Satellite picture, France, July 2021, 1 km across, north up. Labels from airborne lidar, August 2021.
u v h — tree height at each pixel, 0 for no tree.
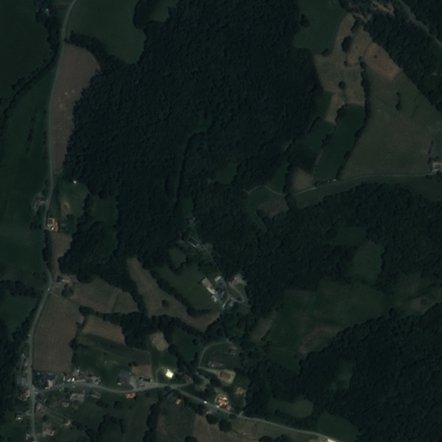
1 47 0
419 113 0
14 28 0
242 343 17
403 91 0
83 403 0
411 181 0
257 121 21
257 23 28
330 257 23
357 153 0
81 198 0
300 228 24
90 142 20
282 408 0
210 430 0
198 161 15
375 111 0
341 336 11
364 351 25
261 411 21
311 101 14
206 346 7
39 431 0
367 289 0
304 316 0
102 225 22
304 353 0
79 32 0
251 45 26
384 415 31
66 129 0
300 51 16
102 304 0
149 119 21
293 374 9
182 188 19
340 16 0
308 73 17
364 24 9
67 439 0
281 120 15
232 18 25
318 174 0
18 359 15
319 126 12
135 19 15
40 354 0
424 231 19
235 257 16
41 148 0
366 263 0
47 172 0
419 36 24
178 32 22
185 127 26
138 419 0
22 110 0
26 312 0
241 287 0
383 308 0
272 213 0
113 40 0
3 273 0
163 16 0
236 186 21
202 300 0
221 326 9
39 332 0
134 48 0
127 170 30
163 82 29
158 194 18
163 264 22
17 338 21
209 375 20
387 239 16
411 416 27
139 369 0
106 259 13
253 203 0
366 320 0
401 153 0
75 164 14
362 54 0
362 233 0
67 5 0
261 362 8
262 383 7
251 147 24
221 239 18
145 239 21
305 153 12
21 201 0
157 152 23
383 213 24
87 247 24
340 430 0
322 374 18
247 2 28
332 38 0
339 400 16
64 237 0
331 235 29
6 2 0
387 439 20
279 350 0
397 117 0
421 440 27
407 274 19
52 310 0
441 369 20
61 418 0
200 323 0
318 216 20
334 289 0
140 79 20
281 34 21
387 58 0
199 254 7
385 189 23
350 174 0
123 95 21
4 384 28
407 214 10
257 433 0
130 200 26
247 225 19
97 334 0
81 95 0
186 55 25
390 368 27
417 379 27
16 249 0
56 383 0
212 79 22
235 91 22
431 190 0
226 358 0
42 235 0
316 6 0
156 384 0
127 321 23
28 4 0
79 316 0
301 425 17
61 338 0
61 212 0
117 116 25
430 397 23
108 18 0
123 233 20
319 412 9
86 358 0
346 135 0
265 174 20
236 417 10
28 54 0
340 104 0
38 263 0
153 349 0
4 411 15
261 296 26
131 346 18
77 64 0
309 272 22
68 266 26
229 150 19
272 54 23
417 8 26
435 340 11
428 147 0
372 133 0
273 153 22
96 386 0
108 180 22
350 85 0
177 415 0
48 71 19
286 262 24
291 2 25
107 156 19
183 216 17
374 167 0
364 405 17
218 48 25
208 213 13
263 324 0
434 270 26
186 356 0
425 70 17
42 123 0
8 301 0
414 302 0
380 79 0
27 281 0
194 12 30
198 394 7
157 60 28
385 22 27
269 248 25
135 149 21
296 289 12
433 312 18
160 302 0
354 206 31
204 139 26
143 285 0
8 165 0
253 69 21
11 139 0
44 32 0
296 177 0
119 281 22
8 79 0
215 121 13
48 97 0
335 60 0
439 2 29
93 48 25
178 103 27
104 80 22
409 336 16
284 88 18
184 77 29
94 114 23
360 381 15
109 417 12
